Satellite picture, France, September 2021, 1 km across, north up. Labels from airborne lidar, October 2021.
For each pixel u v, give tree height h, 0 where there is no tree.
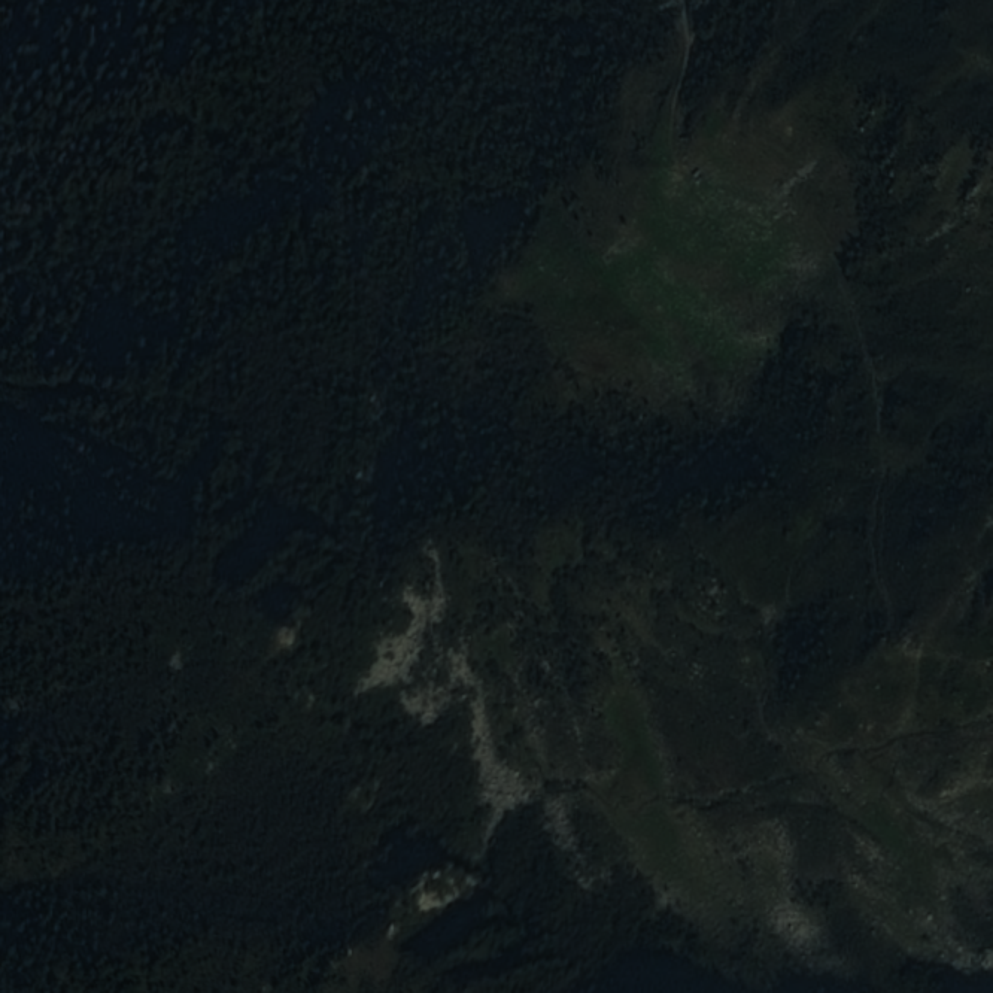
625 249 0
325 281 6
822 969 0
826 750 0
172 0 26
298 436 5
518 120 9
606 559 0
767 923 0
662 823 0
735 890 0
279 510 6
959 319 0
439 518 5
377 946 0
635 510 6
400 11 13
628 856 0
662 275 0
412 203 10
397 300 7
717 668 0
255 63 8
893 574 0
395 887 6
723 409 0
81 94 25
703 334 0
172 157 10
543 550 0
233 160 11
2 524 9
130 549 6
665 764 0
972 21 0
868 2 0
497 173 11
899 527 0
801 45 0
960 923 0
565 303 0
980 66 0
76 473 9
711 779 0
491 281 6
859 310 0
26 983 8
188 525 5
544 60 12
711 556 0
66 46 13
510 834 5
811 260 0
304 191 7
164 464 7
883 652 0
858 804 0
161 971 10
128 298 9
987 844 0
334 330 6
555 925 6
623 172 0
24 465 9
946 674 0
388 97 19
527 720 0
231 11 6
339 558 6
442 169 10
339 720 7
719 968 0
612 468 6
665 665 0
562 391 0
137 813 10
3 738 7
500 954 6
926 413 0
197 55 11
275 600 6
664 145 0
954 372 0
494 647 0
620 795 0
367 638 0
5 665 13
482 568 0
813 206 0
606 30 7
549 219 0
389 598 0
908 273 0
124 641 8
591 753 0
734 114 0
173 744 8
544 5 9
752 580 0
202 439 11
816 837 0
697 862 0
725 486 8
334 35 13
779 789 0
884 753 0
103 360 6
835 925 0
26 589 14
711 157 0
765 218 0
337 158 9
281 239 14
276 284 6
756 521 0
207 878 7
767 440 0
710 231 0
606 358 0
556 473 6
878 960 0
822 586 0
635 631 0
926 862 0
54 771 9
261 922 5
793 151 0
